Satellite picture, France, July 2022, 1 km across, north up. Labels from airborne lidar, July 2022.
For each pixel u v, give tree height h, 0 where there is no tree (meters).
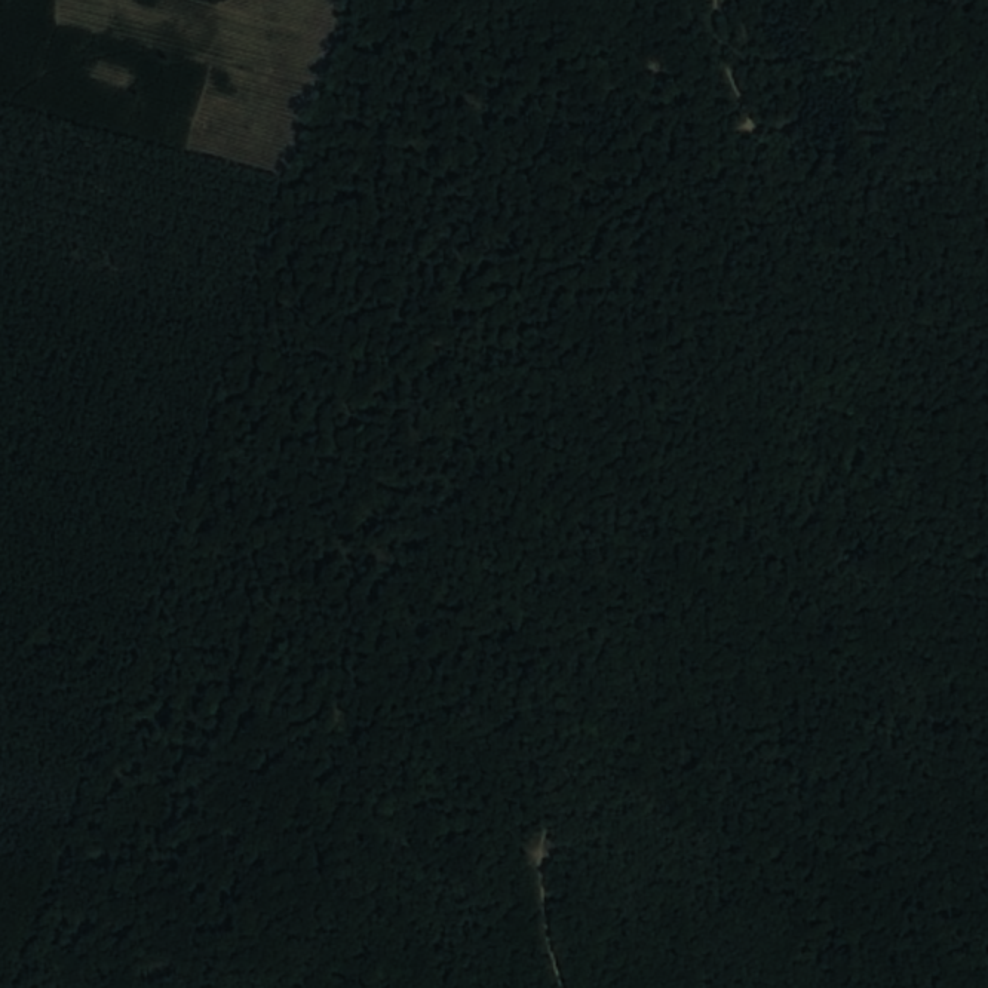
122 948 24
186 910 22
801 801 19
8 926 14
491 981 19
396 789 19
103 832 25
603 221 18
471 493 21
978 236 21
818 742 21
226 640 18
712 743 21
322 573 25
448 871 21
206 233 17
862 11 18
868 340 16
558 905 18
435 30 21
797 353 18
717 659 20
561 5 23
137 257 20
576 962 20
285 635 9
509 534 20
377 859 23
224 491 24
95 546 18
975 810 22
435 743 23
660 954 21
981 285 17
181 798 26
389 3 20
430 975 20
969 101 20
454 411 8
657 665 18
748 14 23
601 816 16
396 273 23
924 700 12
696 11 18
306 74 0
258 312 22
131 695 20
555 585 19
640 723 21
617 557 18
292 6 0
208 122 0
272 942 25
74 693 15
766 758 23
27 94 6
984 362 23
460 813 24
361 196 15
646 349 18
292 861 23
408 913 18
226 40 0
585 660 18
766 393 18
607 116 20
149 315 19
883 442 17
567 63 26
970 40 22
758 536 21
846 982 25
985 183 21
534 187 18
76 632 17
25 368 17
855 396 18
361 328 24
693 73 22
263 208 18
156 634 11
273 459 24
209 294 18
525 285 19
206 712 26
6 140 19
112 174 18
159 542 19
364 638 24
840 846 23
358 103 26
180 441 19
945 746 20
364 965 22
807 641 20
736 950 17
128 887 23
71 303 19
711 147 18
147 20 0
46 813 19
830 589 14
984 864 26
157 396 20
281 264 23
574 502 22
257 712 21
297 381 23
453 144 23
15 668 19
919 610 19
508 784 20
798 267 19
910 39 20
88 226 19
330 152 23
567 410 23
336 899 24
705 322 20
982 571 17
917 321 19
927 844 23
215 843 24
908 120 18
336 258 15
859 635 23
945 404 21
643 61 21
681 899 21
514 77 26
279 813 29
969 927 26
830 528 23
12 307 18
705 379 17
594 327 23
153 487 18
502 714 20
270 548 25
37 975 23
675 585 21
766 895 21
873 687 20
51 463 19
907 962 25
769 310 18
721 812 17
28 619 17
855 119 13
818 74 23
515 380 21
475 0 22
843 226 22
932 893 26
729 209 20
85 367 17
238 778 23
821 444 23
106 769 24
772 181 18
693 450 19
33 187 15
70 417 20
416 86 14
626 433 19
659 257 21
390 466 21
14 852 15
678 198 22
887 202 19
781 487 18
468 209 21
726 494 17
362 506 25
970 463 23
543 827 15
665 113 23
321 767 26
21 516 21
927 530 20
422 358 23
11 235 20
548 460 24
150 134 6
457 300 21
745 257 21
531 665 21
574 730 20
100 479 19
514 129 26
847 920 27
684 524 25
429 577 23
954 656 18
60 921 7
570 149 20
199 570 22
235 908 29
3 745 16
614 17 22
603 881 16
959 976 26
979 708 20
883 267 20
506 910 17
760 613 24
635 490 20
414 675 21
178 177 13
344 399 19
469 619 17
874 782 20
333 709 21
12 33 6
